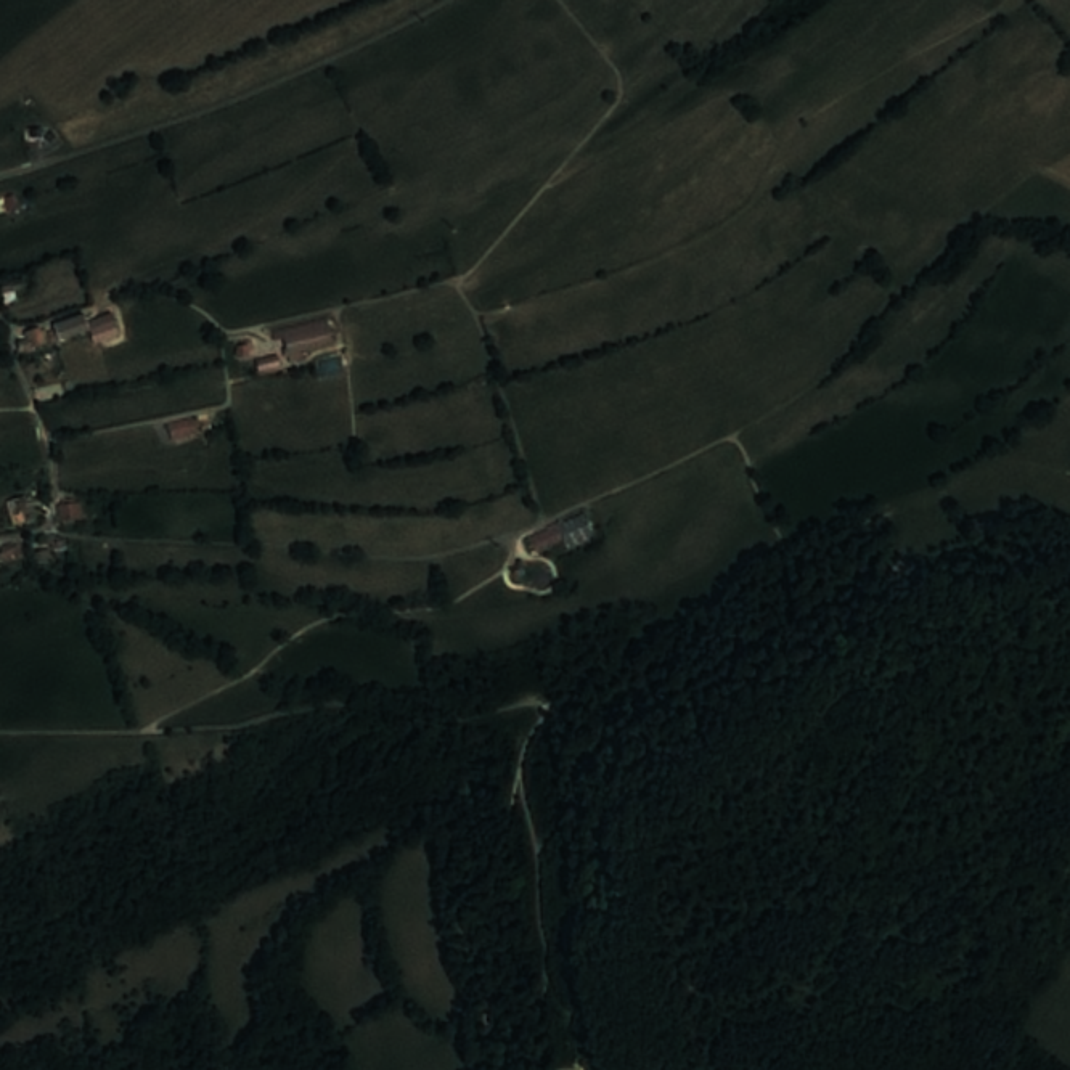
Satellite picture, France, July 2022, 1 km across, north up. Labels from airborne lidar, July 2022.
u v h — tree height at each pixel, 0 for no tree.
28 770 0
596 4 0
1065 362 0
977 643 14
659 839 12
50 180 0
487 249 0
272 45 11
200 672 0
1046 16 11
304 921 31
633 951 13
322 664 0
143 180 0
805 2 7
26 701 0
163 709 0
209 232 0
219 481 0
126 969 8
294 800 15
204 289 17
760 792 25
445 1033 23
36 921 19
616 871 9
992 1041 29
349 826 21
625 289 0
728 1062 15
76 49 0
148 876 18
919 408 0
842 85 0
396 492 0
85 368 0
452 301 0
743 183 0
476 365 0
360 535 0
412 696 22
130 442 0
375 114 0
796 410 0
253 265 0
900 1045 17
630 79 0
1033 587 27
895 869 17
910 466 0
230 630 0
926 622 25
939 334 0
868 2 0
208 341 21
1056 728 25
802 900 21
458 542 0
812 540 23
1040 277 0
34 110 0
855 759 11
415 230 0
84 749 0
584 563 0
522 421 0
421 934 0
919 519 0
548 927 5
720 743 24
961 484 0
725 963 20
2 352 9
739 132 0
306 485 0
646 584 0
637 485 0
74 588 14
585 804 30
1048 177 0
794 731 17
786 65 0
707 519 0
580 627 21
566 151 0
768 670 30
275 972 28
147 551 0
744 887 16
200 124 0
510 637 0
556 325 0
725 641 22
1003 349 0
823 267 0
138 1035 26
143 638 0
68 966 21
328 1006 0
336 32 0
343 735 11
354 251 0
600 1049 27
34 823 14
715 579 0
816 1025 9
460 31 0
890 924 12
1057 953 31
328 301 0
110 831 20
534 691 9
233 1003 0
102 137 0
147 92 0
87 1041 10
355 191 0
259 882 14
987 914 25
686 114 0
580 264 0
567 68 0
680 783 15
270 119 0
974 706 27
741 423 0
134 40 0
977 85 0
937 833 10
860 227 0
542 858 8
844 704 8
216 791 15
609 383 0
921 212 0
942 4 0
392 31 0
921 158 0
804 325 0
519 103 0
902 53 0
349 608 26
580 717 33
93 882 10
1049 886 11
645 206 0
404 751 18
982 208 0
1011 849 15
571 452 0
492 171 0
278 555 0
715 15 0
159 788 11
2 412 0
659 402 0
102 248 0
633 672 25
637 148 0
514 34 0
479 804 29
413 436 0
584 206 0
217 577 22
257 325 0
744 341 0
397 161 0
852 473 0
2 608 0
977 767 26
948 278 13
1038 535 33
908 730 11
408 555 0
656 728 32
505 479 0
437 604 23
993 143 0
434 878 14
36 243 0
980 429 0
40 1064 20
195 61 0
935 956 21
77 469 0
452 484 0
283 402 0
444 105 0
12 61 0
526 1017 30
